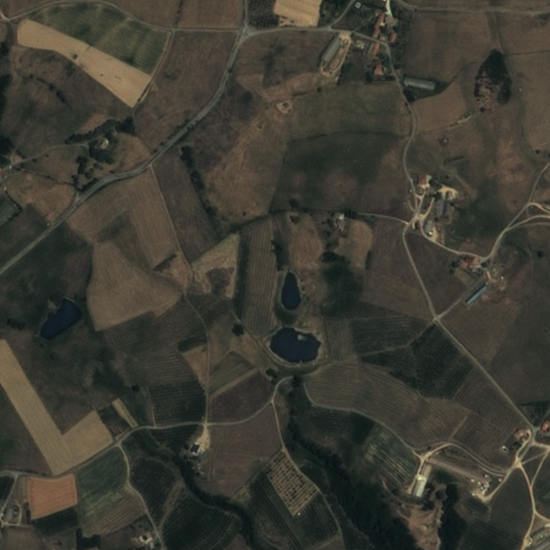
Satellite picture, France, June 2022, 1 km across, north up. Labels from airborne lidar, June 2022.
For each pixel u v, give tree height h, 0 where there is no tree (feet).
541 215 0
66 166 0
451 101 0
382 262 0
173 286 0
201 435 0
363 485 31
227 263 0
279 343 0
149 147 0
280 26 0
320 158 0
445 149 0
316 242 0
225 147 0
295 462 0
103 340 0
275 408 0
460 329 0
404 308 0
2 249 0
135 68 0
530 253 0
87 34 0
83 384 0
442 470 0
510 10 0
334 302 0
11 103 0
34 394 0
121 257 0
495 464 0
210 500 60
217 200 0
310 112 0
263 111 0
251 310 0
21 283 0
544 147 0
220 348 0
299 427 47
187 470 56
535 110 0
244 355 0
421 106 0
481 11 0
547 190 0
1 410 0
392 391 0
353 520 34
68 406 0
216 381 0
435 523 0
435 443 0
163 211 0
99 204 0
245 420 0
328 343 0
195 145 0
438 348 0
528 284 0
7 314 0
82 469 0
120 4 0
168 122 0
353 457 0
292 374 0
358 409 0
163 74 0
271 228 0
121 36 0
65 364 0
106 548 0
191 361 0
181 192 0
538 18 0
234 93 0
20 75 0
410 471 0
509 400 0
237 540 0
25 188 0
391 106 0
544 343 0
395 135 0
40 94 0
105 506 0
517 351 0
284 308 0
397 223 0
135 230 0
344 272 0
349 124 0
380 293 0
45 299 0
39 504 0
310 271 0
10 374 0
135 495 0
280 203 0
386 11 23
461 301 0
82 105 0
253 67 0
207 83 0
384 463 0
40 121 0
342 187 0
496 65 25
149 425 0
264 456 0
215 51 0
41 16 0
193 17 0
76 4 0
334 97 0
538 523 0
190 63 0
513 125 0
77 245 0
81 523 0
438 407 0
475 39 0
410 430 0
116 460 0
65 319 0
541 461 0
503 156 0
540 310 0
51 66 0
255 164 0
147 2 0
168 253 0
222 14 0
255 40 0
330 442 0
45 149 0
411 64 0
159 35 0
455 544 32
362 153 0
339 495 36
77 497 0
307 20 0
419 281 0
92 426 0
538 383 0
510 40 0
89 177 18
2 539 0
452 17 0
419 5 0
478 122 0
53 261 0
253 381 0
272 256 0
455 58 0
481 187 0
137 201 0
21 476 0
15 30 0
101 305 0
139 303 0
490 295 0
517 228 0
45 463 0
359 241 0
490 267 0
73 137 36
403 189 0
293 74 0
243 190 0
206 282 0
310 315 0
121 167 0
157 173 0
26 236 0
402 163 0
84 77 0
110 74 0
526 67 0
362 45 0
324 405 0
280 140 0
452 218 0
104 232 0
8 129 0
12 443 0
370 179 0
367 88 0
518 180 0
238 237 0
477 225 0
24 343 0
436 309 0
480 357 0
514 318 0
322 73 0
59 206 0
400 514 0
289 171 0
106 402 0
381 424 0
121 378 0
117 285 0
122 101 0
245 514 22
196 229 0
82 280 0
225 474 0
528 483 0
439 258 0
